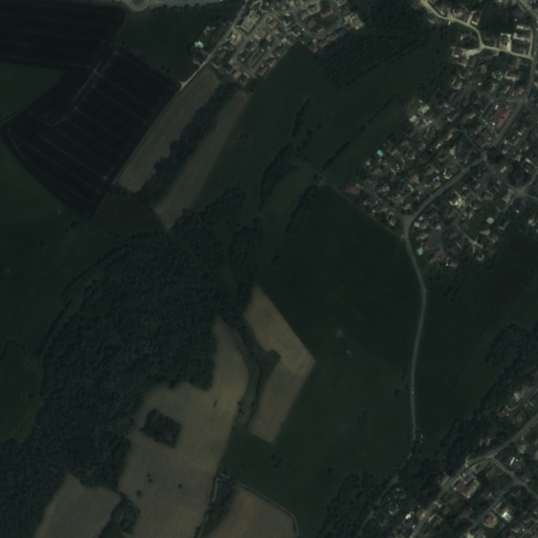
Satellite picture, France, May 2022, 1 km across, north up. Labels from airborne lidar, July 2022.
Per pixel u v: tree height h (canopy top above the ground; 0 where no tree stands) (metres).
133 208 0
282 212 0
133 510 7
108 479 20
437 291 0
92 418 18
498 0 0
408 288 0
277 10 0
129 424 15
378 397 0
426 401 0
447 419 0
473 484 0
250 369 0
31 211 0
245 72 0
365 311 0
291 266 0
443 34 7
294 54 0
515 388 8
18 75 0
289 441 0
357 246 0
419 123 0
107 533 14
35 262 0
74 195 0
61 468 23
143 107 0
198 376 22
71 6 0
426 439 0
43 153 0
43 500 22
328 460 0
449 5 6
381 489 12
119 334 15
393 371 0
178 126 0
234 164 0
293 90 0
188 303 22
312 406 0
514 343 21
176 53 0
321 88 0
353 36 7
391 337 0
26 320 0
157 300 20
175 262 12
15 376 0
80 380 26
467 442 13
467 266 11
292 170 9
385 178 7
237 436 0
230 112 0
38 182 0
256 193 0
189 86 0
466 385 0
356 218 0
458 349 0
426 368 0
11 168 0
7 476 30
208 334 20
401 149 6
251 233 14
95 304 12
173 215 0
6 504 28
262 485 0
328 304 0
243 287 17
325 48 12
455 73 7
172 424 13
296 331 0
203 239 17
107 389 26
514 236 0
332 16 0
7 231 0
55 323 11
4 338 0
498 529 7
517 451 10
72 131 0
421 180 9
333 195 0
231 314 13
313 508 0
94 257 0
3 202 0
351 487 13
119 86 0
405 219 0
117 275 17
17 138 0
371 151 0
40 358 11
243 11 0
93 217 0
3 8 0
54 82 0
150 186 19
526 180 16
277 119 0
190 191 0
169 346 27
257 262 9
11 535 22
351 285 0
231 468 0
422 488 9
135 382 24
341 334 0
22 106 0
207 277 16
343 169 0
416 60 0
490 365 15
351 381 0
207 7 8
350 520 7
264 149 0
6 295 0
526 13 0
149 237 18
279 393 0
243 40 0
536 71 0
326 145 0
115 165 0
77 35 0
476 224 0
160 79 0
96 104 0
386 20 8
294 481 0
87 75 0
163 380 12
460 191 0
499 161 11
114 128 0
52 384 10
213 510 8
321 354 0
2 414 0
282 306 0
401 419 0
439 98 8
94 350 15
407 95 0
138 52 0
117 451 16
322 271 0
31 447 25
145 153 0
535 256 0
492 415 12
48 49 0
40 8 0
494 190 7
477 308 0
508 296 0
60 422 24
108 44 0
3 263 0
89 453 26
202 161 0
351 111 0
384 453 0
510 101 0
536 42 0
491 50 0
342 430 0
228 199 15
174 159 16
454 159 0
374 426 0
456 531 18
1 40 0
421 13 6
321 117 0
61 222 0
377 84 0
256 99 0
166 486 0
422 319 0
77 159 0
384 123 0
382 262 0
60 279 0
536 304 0
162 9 7
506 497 13
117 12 0
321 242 0
